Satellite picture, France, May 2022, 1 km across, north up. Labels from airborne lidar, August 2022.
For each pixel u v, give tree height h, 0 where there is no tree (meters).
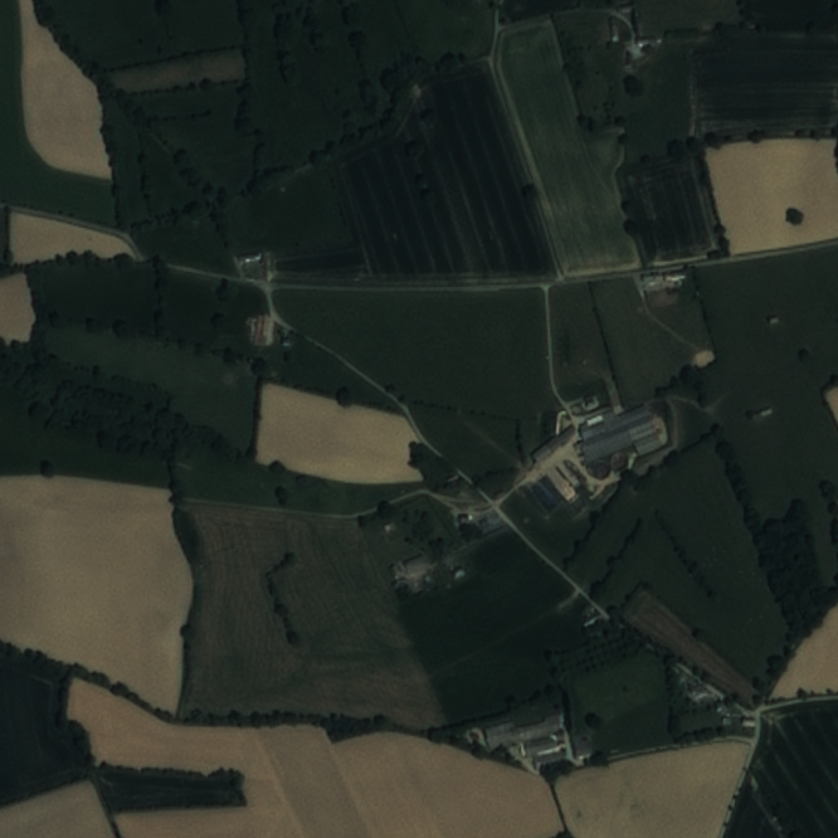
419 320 0
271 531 0
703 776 0
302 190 0
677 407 0
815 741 0
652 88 0
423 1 0
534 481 0
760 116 0
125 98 15
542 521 0
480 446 0
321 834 0
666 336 0
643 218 0
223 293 16
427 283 0
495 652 0
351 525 0
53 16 15
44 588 0
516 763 6
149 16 0
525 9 0
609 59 0
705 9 0
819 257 0
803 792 0
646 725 0
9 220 6
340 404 12
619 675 0
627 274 0
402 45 0
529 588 0
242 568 0
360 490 0
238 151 0
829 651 0
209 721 14
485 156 0
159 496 0
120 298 0
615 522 0
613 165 0
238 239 0
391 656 0
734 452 11
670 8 0
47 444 0
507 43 0
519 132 0
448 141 0
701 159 7
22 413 0
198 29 0
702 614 0
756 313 0
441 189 0
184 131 0
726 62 0
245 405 0
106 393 11
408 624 0
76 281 0
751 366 0
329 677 0
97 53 0
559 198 0
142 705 10
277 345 0
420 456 12
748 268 0
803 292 0
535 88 0
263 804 0
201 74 0
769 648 0
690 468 0
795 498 0
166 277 10
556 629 0
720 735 13
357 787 0
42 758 0
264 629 0
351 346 0
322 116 0
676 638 0
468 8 0
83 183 0
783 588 22
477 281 0
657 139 0
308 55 0
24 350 14
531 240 0
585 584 0
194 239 0
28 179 0
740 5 10
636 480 15
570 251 0
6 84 0
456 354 0
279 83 0
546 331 0
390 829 0
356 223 0
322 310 0
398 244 0
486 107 0
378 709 0
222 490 0
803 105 0
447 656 0
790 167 0
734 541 0
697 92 0
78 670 14
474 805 0
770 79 0
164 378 0
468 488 0
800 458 0
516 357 0
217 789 0
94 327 15
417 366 0
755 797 0
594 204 0
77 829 0
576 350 0
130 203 0
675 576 0
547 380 0
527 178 0
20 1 0
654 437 0
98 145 0
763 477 0
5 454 0
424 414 0
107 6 0
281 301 0
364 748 0
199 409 0
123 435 10
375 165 0
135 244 0
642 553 0
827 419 0
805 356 13
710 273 0
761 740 0
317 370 0
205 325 0
